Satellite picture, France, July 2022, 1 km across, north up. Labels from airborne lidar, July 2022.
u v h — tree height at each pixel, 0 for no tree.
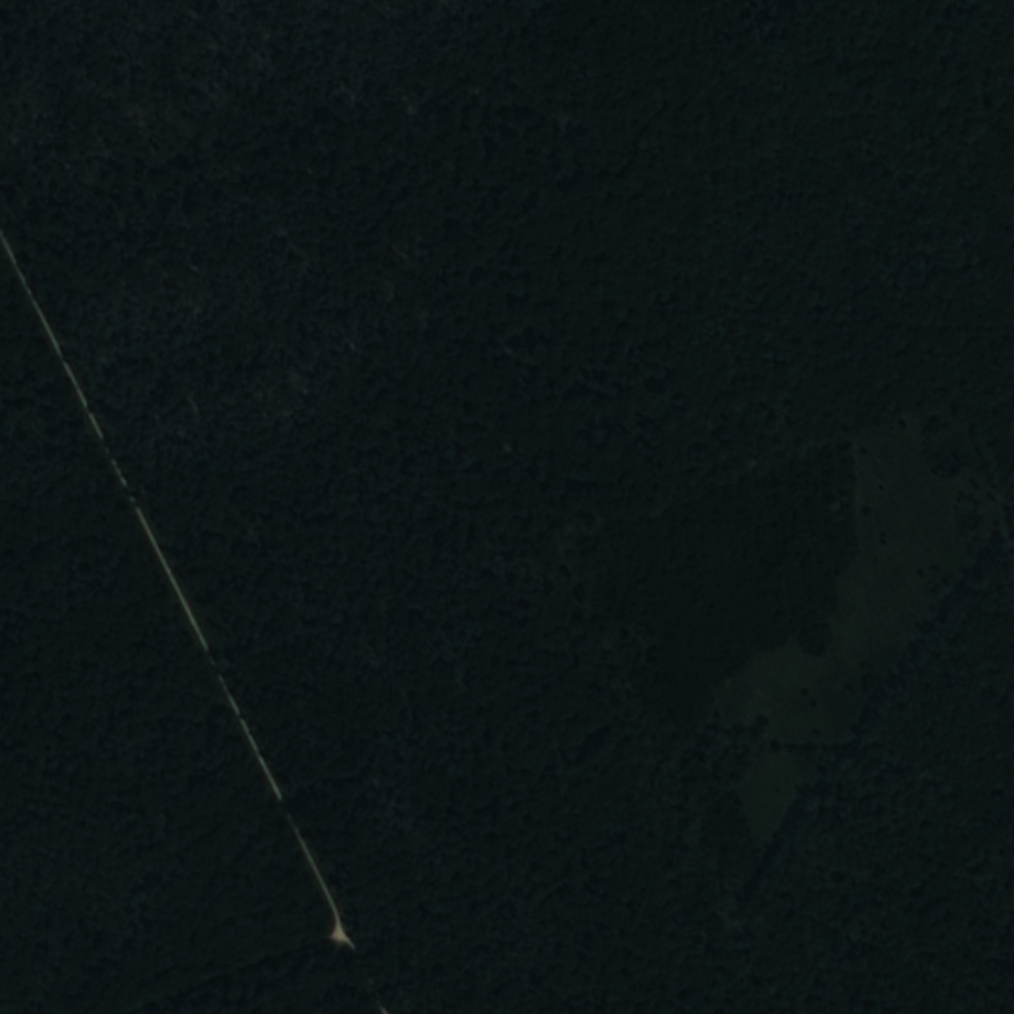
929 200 16
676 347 26
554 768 28
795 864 24
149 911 19
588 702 27
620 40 23
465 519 21
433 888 24
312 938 16
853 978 25
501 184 28
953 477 6
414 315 19
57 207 12
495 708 27
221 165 19
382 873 26
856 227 21
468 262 27
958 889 21
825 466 7
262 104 21
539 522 23
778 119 20
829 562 5
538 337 25
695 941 25
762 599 8
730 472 24
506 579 25
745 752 18
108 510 25
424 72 26
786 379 21
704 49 23
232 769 23
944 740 22
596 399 28
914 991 22
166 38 18
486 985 19
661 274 24
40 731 26
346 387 21
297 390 28
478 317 23
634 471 28
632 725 17
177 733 23
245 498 21
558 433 26
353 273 26
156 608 20
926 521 0
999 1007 19
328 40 19
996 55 22
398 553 26
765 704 0
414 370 25
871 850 21
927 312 28
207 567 23
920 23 24
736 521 6
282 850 25
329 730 27
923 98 17
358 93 23
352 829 22
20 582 19
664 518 11
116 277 23
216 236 26
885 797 19
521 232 27
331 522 22
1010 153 23
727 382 19
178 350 24
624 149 22
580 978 25
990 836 23
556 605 27
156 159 27
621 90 20
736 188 23
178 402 25
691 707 10
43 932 21
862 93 19
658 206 26
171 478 24
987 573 20
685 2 21
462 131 29
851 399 21
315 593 22
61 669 23
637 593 11
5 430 20
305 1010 25
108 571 20
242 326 28
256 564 21
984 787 22
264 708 26
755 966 20
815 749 10
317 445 13
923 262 18
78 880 20
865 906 23
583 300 23
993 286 19
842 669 0
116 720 21
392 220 23
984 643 17
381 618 25
